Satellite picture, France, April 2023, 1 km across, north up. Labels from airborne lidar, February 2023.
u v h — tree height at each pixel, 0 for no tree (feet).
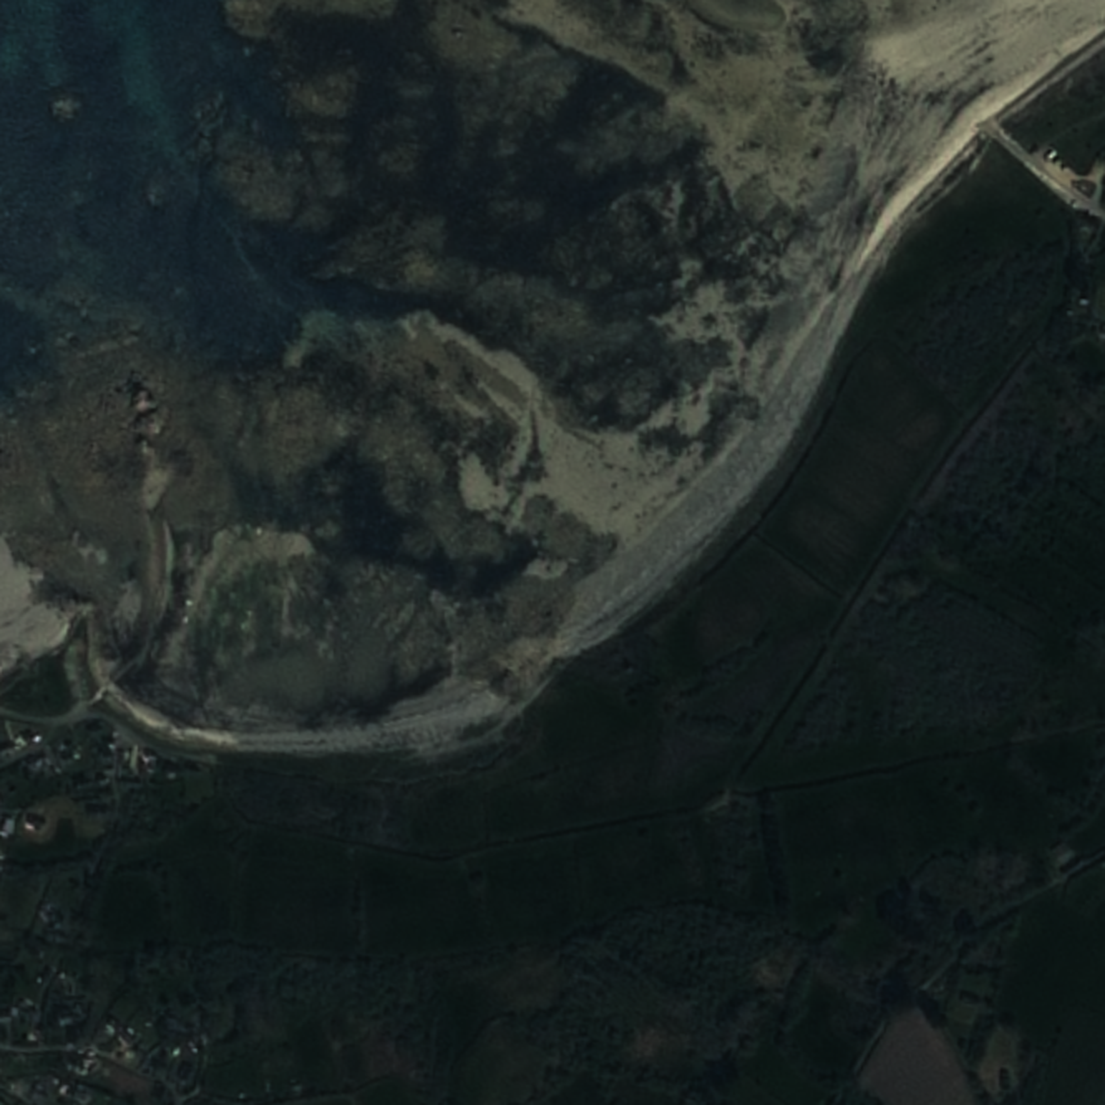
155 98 0
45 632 0
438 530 0
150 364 0
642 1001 81
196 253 0
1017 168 0
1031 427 30
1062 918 0
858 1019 19
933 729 20
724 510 0
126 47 0
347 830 21
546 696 0
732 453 0
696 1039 34
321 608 0
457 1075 0
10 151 0
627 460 0
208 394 0
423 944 0
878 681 0
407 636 0
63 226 0
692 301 0
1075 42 0
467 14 0
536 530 0
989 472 24
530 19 0
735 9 0
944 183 0
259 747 0
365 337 0
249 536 0
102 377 0
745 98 0
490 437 0
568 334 0
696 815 0
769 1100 0
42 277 0
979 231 0
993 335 25
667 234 0
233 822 0
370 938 0
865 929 0
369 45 0
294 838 0
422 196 0
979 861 66
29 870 26
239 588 0
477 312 0
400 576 0
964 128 0
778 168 0
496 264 0
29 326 0
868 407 0
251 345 0
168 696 0
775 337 0
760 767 0
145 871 27
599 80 0
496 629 0
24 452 0
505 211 0
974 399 0
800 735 18
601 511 0
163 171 0
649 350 0
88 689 0
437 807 0
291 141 0
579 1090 0
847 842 0
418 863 0
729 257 0
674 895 0
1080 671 0
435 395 0
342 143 0
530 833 0
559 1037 27
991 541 27
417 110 0
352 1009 21
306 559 0
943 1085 0
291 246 0
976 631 26
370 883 0
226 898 0
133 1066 0
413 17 0
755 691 0
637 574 0
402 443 0
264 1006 92
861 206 0
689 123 0
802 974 26
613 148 0
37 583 0
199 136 0
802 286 0
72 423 0
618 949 21
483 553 0
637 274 0
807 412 0
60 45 0
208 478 0
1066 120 0
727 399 0
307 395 0
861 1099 34
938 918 58
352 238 0
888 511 0
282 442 0
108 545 0
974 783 0
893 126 0
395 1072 0
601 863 0
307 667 0
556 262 0
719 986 23
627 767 0
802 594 0
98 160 0
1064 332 41
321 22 0
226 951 23
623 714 0
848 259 0
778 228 0
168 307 0
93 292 0
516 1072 0
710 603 0
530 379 0
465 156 0
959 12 0
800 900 0
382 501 0
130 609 0
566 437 0
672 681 0
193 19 0
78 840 0
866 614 18
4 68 0
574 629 0
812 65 0
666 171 0
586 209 0
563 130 0
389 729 0
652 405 0
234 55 0
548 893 0
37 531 0
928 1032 0
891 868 0
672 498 0
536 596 0
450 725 0
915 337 0
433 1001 23
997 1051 0
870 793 0
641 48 0
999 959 35
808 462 0
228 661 0
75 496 0
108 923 0
